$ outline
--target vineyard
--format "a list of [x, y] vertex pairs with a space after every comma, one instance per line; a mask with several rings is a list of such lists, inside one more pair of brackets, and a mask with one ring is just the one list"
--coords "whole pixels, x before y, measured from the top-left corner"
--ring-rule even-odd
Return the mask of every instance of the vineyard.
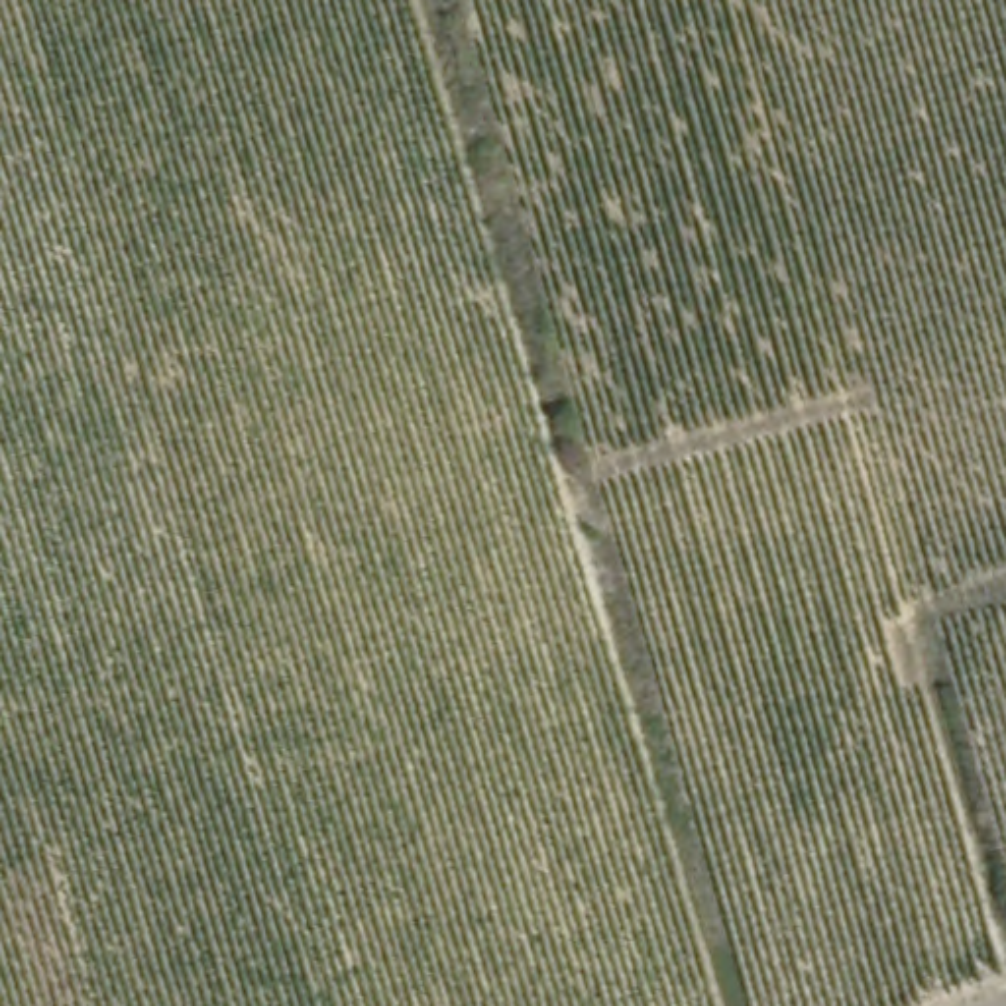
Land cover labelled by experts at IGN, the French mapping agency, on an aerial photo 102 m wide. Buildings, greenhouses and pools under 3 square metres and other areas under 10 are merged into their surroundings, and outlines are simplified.
[[1006, 1006], [1006, 0], [0, 0], [0, 1006]]

